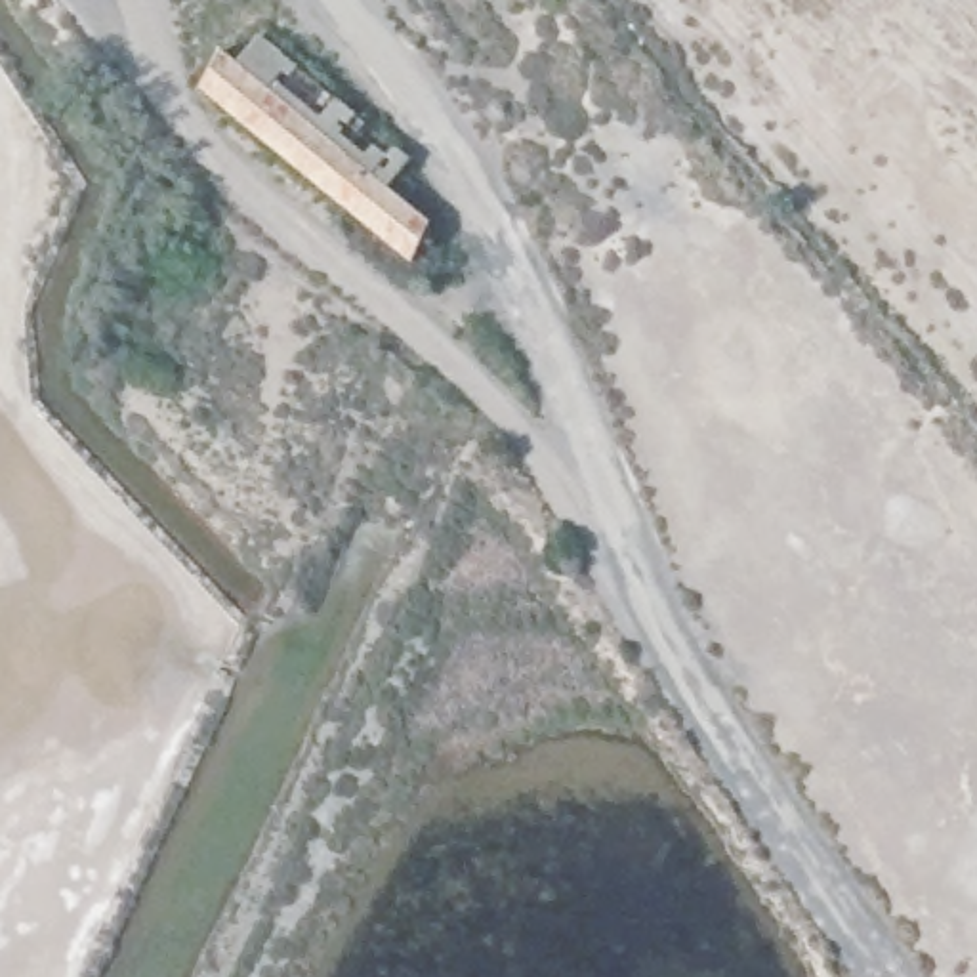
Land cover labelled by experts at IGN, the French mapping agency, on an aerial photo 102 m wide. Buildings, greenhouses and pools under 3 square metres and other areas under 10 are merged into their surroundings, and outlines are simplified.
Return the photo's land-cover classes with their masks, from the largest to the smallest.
<instances>
[{"label":"pervious surface","instance_id":"1","mask_svg":"<svg viewBox=\"0 0 977 977\"><path fill-rule=\"evenodd\" d=\"M61 15H76L92 38H118L126 27L118 0H50L46 23L53 31V46L73 42ZM366 11L385 19L405 42H412L420 57L431 65L435 80L447 88L454 76H473L508 88L515 99H527L530 88L523 69L527 57L538 50L542 11H511V0H496V15L519 38L511 65L500 69L462 61V46L443 38V27L427 11H416L408 0H359ZM653 8L656 31L664 38L721 42L729 50V65L702 61L695 69V80H733V95L714 92L710 103L721 111V118H737L744 126V137L759 149V156L775 153L779 145L798 153V160L809 168V187H817V202L809 206L813 225L836 237V244L859 263V271L882 290V298L908 317L920 340L935 347L946 370L977 401V0H641ZM57 179L50 164V134L42 130L23 95L0 61V977H84L88 958L99 950V931L114 924L122 889H130L141 866L145 836L156 828L164 813L168 790L191 779L198 752L187 740L198 733L206 717V702L214 695H229L221 668L237 664L244 641L240 614L229 603H221L218 592L168 546L164 530H153L137 515V508L118 492L111 477H99L88 466L73 439L34 401L27 359V309L38 275L31 263V248H38L46 237L38 225L50 214ZM450 126L473 145V156L492 195L523 218V206L504 183V149L515 141H538L546 149H561L565 137H557L546 126V118H523L504 134L477 137V122L500 118L504 111L489 103L473 111V95L450 92ZM206 118L218 130H229L244 149L256 153L260 164H267L271 187L294 183L298 191H305V198H313L332 218V225H340L351 252H359L385 282L405 290V298L439 332L454 336V328L469 313H492V271L466 279L435 294L427 290L424 263L412 256H397L389 244H382L305 172L279 156L244 122H237L221 103H214L206 107ZM595 145L607 149V160L595 164L599 179L611 183L626 176L622 195H592L595 210H618V229L599 244H588L580 237L576 210L561 202L553 210V237H534L527 244L530 267L538 275L550 271V263L565 248L580 252L584 286L592 290V301L607 309V328L618 336V351L607 355V370L618 378V389L634 405V443L653 473L660 511L668 515L683 580L702 592V611L714 618L721 645L744 664L748 702L763 714H775L779 744L809 763V790L817 805L840 821V836L851 859L882 878V885L893 897V912L920 920V943L935 958L939 977H977V469L969 458L950 450L946 435L935 427V420L946 416V408L924 405L916 393L901 389L897 366L878 359L870 343L859 340L843 305L832 294H824L821 279L809 275L805 263L782 252L779 237L763 229L759 218L717 206L702 195V187L691 179L683 137H641V130H634L630 122L592 126ZM221 221L233 233L237 248L263 256L267 263L263 282H256L240 298L244 313L233 317L225 328L229 343H248L263 355V405H282L286 370H294V355L305 351L301 336L294 332L298 317L328 321L336 313L355 324H374L366 305L351 290L332 282L324 271L309 267L252 214L229 202ZM202 401L198 385H187L172 397H153L137 385L126 389L122 408L145 416L153 431L172 450H179V458L202 481H210L221 492L218 515L206 523L229 546L233 561L256 576L263 569H282L286 557H298L301 550H317L328 542V534L340 527L347 511L355 473L378 462L393 435L408 431L405 416H366L363 408H340L343 416H351L343 462L336 469L328 504L321 511H309L279 492L275 469L282 466L279 439L301 435L313 443L321 431L317 424L263 416L256 458H244L240 443L221 427H179V420L191 416ZM492 508H500L511 523L523 527L530 550L542 553L546 527L534 511V496L496 492L492 500ZM427 538L412 542L401 565L370 592L359 622L351 626L340 664L313 702V717L305 725L298 759L275 794V805L252 843L237 889L195 958V977H229L252 927L260 924L271 874L290 847V821L301 813L305 786L321 767L324 744L336 737V717L351 698L355 676L366 668L382 637V622L389 618L393 599L405 595V588L420 576ZM546 580H553L557 588V607L572 622H599L595 656L611 664L622 698H637L641 687L637 672L622 656V641H641L645 626L630 599L626 572L614 550L603 538H595L588 576L576 580L572 572L550 569ZM645 740L656 744L660 759L691 790L702 775L695 752L672 729V717L653 714L645 725ZM336 866L332 847L313 840L309 882L279 912V924L263 943L252 977H275L279 969H286V958H275L279 943L313 908L324 885V870Z\"/></svg>","mask_w":977,"mask_h":977},{"label":"brushwood","instance_id":"2","mask_svg":"<svg viewBox=\"0 0 977 977\"><path fill-rule=\"evenodd\" d=\"M0 4L11 11V19L42 57V80L23 95L42 130L50 134V164L57 179L50 214L38 225L46 237L38 248H31V263L38 275L57 260V229H65L76 195L99 183L95 229L80 244L76 279L69 286L61 313L57 366L69 374L73 393L88 401L103 427L118 435L141 462H149L164 489H172L198 515V523H206L218 515L221 492L210 481H202L179 458V450H172L153 431L145 416L122 408L126 389L137 385L153 397H172L187 385H198L202 401L191 416L179 420V427H221L240 443L244 458H256L263 416L317 424L321 431L313 443L301 435L279 439L282 466L275 469L279 492L309 511H321L328 504L336 469L343 462L351 416H343L340 408H363L366 416H405L408 431L393 435L378 462L355 473L347 511L340 527L328 534V542L317 550H301L298 557H286L282 569H263L256 576L260 603L244 607L240 614L244 641L263 634L271 637L275 630L290 626V618L301 614V607L317 611L351 542H412L427 538L420 576L405 588V595L393 599L389 618L382 622V637L366 668L355 676L351 698L336 717V737L324 744L321 767L305 786L301 813L290 821V847L271 874L260 924L252 927L229 977H252L263 943L279 924V912L309 882L313 840L332 847L336 866L324 870V885L313 908L279 943L275 958H286V969H279L275 977H332L347 939L366 920L374 897L382 893L389 870L408 851L416 832L427 821H473L500 813L504 801H511L515 794H534L542 809H553L565 798H656L683 836H691L695 828H702V840L721 836L729 863L748 874L759 904L771 908L779 924L775 943L782 950V962L798 977H843L847 966L840 939L817 924L813 908L801 901V889L790 878H771V866L763 863L771 859V847L763 828L748 817L737 790L721 779L725 763L702 744V733L687 717L668 672L660 668L656 653L641 641H622V656L637 672L641 687L637 698H622L611 664L595 656L599 622H572L557 607L515 611L511 584L443 592V576L469 553V527L477 523V508L492 500L496 492L534 496V511L546 527L542 553L550 569L572 572L576 580L588 576L595 538L588 527L569 523L553 511L527 462L530 447L523 435L492 424L481 412V405L466 397L439 366L424 363L389 328L374 324H355L336 313L328 321L298 317L294 332L301 336L305 351L294 355V370H286L282 405H263V355L248 343H229L225 328L233 317L244 313L240 298L256 282H263L267 263L263 256L237 248L233 233L221 221L229 202L214 172L198 164L191 141L176 134L164 107L141 84L134 53L118 38H92L76 15H61L73 42L53 46V31L46 23L50 0H0ZM469 634L557 637L580 656L584 676L592 679V687H603L607 702L572 698L538 717L534 729L504 737L496 748H485L477 756L443 752L435 733L416 729L412 717L424 710L427 695L443 679L450 649ZM653 714L672 717V729L695 752L702 775L691 790L660 759L656 744L645 740V725ZM187 84H202L206 69H214L225 57H240L256 38H267L279 53H286L294 69L279 73V88L301 99L309 114L340 99L351 111L340 126L343 141H351L355 149L405 153V164L393 176V191L427 221L412 256L424 263L427 290L435 294L466 279L469 260L458 240L462 221L458 210L424 176L427 149L408 130H401L389 111H382L340 69L332 53H324L317 38L298 34L294 8H286L282 0H172ZM416 11H427L443 27V38L462 46V61L500 69L511 65L519 38L496 15V0H408ZM511 11H542L538 50L527 57L523 69L530 88L527 99H515L508 88L473 76H454L447 88L450 92L473 95V111L489 103L504 111L500 118L477 122V137L504 134L523 118H546V126L557 137H565L561 149H546L538 141H515L504 149V183L523 206V218L534 237H553V210L561 202L576 210L580 237L588 244H599L618 229V210H595L592 195H622L626 176L611 183L599 179L595 164L607 160V149L595 145L592 126L630 122L634 130H641V137H683L691 179L702 187V195L717 206L759 218L763 229L779 237L782 252L805 263L809 275L821 279L824 294H832L843 305L859 340L870 343L878 359L897 366L901 389L916 393L924 405L946 408V416L935 420V427L946 435L950 450L969 458L977 469V401L946 370L935 347L920 340L908 317L882 298V290L859 271V263L836 244V237L813 225L809 206L817 202V187H809V168L798 160V153L779 145L775 153L759 156V149L744 137V126L737 118H721V111L710 103L714 92L733 95V80H695V69L702 61L729 65V50L721 42L664 38L656 31L653 8L641 0H511ZM565 294V328L584 359V378L595 385V397H603L611 412V435L618 443L611 458L622 492L637 508V542L649 557L653 584L672 607V618L691 656L702 664L710 687L729 698L737 721L756 737L759 752L771 759V771L794 775V798L809 790V763L779 744L775 714H763L748 702L744 664L721 645L714 618L702 611V592L683 580L668 515L660 511L653 473L634 443V405L618 389V378L607 370V355L618 351V336L607 328V309L592 301V290L584 286L580 252L565 248L550 263V271ZM477 355V363L496 382L519 393L530 416H542V385L530 370V359L504 328V321L492 313H469L454 328V336Z\"/></svg>","mask_w":977,"mask_h":977},{"label":"water","instance_id":"3","mask_svg":"<svg viewBox=\"0 0 977 977\"><path fill-rule=\"evenodd\" d=\"M0 61L23 95L42 80V57L11 19V11L0 4ZM99 183L76 195L65 229H57V260L38 275L27 309V359L34 401L73 439L88 466L99 477H111L118 492L137 508V515L153 530H164L168 546L218 592L221 603H229L240 614L244 607L260 603L256 576L233 561L229 546L206 523H198V515L172 489H164L149 462H141L118 435L103 427L88 401L73 393L69 374L57 366L61 313L69 286L76 279L80 244L95 229ZM412 542H351L317 611L301 607V614L290 618V626L275 630L271 637L263 634L244 641L237 664L221 668L229 695H214L206 702V717L198 733L187 740L198 752L191 779L168 790L164 813L156 828L145 836L141 866L130 889H122L114 924L99 931V950L88 958L84 977H195V958L237 889L252 843L275 805V794L298 759L305 725L313 717V702L340 664L351 626L359 622L370 592L401 565ZM779 924L771 908L759 904L748 874L729 863L721 836L702 840V828H695L691 836H683L656 798H565L553 809H542L534 794H515L511 801H504L500 813L473 821H427L416 832L408 851L389 870L382 893L374 897L366 920L347 939L332 977H798L782 962V950L775 943Z\"/></svg>","mask_w":977,"mask_h":977},{"label":"impervious surface","instance_id":"4","mask_svg":"<svg viewBox=\"0 0 977 977\"><path fill-rule=\"evenodd\" d=\"M286 8H294L298 34L317 38L324 53H332L340 69L382 111H389L401 130H408L427 149L424 176L458 210L462 221L458 240L469 260L466 279L492 271V313L504 321V328L530 359V370L542 385V416H530L519 393L496 382L477 363V355L454 336L439 332L405 298V290L385 282L359 252H351L340 225H332V218L313 198H305V191H298L294 183L271 187L267 164H260L256 153L244 149L229 130H218L206 118V107L214 103L210 95H202V84H187L172 0H118L126 27L118 38L134 53L141 84L164 107L176 134L191 141L198 164L214 172L229 202L252 214L309 267L324 271L332 282L351 290L366 305L374 324L389 328L424 363L439 366L466 397L481 405V412L492 424L523 435L530 447L527 462L553 511L569 523L588 527L595 538H603L614 550L626 572L630 599L645 626L641 641L656 653L660 668L668 672L687 717L702 733V744L725 763L721 779L737 790L748 817L763 828L771 847V859L763 863L771 866V878H790L801 889V901L813 908L817 924L840 939L847 966L843 977H939L935 958L920 943V920L893 912V897L882 885V878L851 859L840 836V821L817 805L809 790L794 798V775L771 771V759L759 752L756 737L737 721L729 698L710 687L702 664L691 656L672 618V607L653 584L649 557L637 542V508L622 492L611 458L618 443L611 435V412L603 397H595V385L584 378V359L565 328V294L550 271L538 275L530 267L527 244L534 237L523 218L492 195L473 156V145L450 126V92L447 88L435 80L431 65L420 57L412 42H405L385 19L366 11L359 0H282Z\"/></svg>","mask_w":977,"mask_h":977},{"label":"herbaceous vegetation","instance_id":"5","mask_svg":"<svg viewBox=\"0 0 977 977\"><path fill-rule=\"evenodd\" d=\"M550 569L542 553L530 550L523 527L511 523L500 508H492V500L477 508V523L469 527V553L443 576V592L511 584L515 611L557 607V588L553 580H546ZM572 698L607 702L603 687H592V679L584 676L580 656L557 637L469 634L450 649L443 679L427 695L424 710L412 717L416 729L435 733L443 752L477 756L485 748H496L504 737L534 729L538 717Z\"/></svg>","mask_w":977,"mask_h":977},{"label":"building","instance_id":"6","mask_svg":"<svg viewBox=\"0 0 977 977\"><path fill-rule=\"evenodd\" d=\"M294 69L286 53H279L267 38H256L240 57H225L214 69H206L202 84V95H210L214 103H221L237 122H244L279 156L305 172L382 244H389L397 256H412L427 221L393 191V176L405 164V153L355 149L351 141H343L340 126L351 111L340 99L309 114L301 99L279 88V73Z\"/></svg>","mask_w":977,"mask_h":977}]
</instances>
